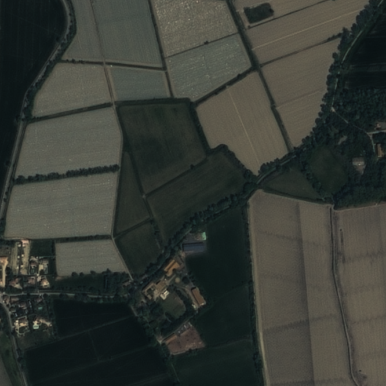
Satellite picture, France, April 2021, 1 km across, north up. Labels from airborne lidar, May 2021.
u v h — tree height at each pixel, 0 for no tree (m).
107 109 0
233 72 0
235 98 0
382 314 0
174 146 0
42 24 0
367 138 16
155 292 0
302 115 0
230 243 0
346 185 7
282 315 0
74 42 0
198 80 0
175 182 0
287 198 0
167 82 0
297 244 0
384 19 0
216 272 0
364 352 0
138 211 0
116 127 0
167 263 11
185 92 0
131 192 0
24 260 0
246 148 0
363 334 0
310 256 0
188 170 0
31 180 14
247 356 0
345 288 0
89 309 0
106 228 0
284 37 0
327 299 0
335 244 0
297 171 0
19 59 0
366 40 0
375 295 0
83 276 10
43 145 0
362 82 0
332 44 0
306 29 0
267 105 0
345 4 0
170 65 0
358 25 12
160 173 0
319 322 0
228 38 0
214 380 0
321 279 0
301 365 0
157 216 0
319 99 0
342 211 0
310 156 7
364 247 0
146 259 0
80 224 0
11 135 0
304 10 0
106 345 0
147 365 0
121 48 0
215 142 0
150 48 0
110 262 0
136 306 13
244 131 0
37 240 0
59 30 0
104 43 0
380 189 30
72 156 0
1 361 0
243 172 7
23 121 9
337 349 0
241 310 0
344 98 10
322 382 0
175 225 0
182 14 0
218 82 0
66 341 0
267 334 0
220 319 0
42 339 0
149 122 0
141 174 0
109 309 0
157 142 0
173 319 9
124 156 0
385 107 10
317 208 0
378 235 0
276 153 0
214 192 0
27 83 0
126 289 10
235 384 0
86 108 0
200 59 0
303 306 0
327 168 0
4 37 0
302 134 0
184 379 0
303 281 0
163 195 0
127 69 0
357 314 0
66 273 0
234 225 0
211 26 0
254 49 0
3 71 0
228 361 0
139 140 0
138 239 0
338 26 0
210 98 0
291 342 0
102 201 0
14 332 13
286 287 0
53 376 0
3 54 0
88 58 0
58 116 0
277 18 0
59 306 0
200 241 0
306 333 0
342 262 0
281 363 0
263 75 0
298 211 0
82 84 0
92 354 0
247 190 13
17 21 0
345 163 7
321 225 0
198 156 0
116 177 0
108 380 0
